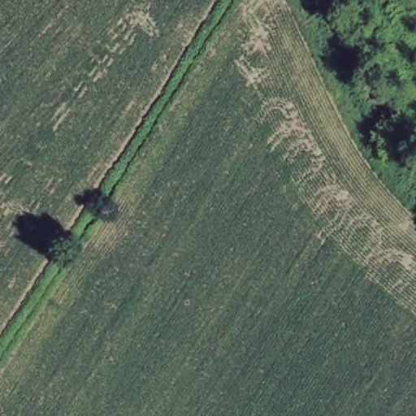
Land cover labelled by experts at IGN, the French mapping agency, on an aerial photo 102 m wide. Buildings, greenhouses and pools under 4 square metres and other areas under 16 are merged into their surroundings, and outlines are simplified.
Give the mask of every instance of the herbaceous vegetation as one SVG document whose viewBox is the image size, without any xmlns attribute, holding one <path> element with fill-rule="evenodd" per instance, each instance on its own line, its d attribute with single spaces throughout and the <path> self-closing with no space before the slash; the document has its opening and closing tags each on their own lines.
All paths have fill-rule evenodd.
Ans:
<svg viewBox="0 0 416 416">
<path fill-rule="evenodd" d="M 45 302 L 54 296 L 62 279 L 68 275 L 68 271 L 75 263 L 63 268 L 47 260 L 41 276 L 37 278 L 23 304 L 16 310 L 10 322 L 6 323 L 6 328 L 0 335 L 0 372 L 24 340 L 24 336 L 28 335 L 32 322 L 41 314 Z"/>
<path fill-rule="evenodd" d="M 219 29 L 227 16 L 236 10 L 242 0 L 216 0 L 210 15 L 193 34 L 192 42 L 185 47 L 187 55 L 180 63 L 179 70 L 172 71 L 161 96 L 149 107 L 140 127 L 136 127 L 132 140 L 128 141 L 123 153 L 99 184 L 102 192 L 106 193 L 107 198 L 114 200 L 117 188 L 127 184 L 133 164 L 140 161 L 141 151 L 153 140 L 159 123 L 166 119 L 169 107 L 180 93 L 185 81 L 195 73 L 206 47 L 211 47 L 214 39 L 219 36 Z"/>
<path fill-rule="evenodd" d="M 392 107 L 400 112 L 405 110 L 409 102 L 416 101 L 416 0 L 396 0 L 395 3 L 382 2 L 379 10 L 375 10 L 372 15 L 369 10 L 362 10 L 359 16 L 372 31 L 372 37 L 379 42 L 385 42 L 385 47 L 395 45 L 396 50 L 400 52 L 395 58 L 390 58 L 388 62 L 380 65 L 380 70 L 385 68 L 388 76 L 387 83 L 382 84 L 380 88 L 375 86 L 379 101 L 385 104 L 393 97 L 396 102 Z"/>
<path fill-rule="evenodd" d="M 86 244 L 86 240 L 96 234 L 97 227 L 94 224 L 99 221 L 94 214 L 83 211 L 80 218 L 68 229 L 73 232 L 73 239 L 81 245 Z"/>
<path fill-rule="evenodd" d="M 310 57 L 314 58 L 322 71 L 325 89 L 333 94 L 333 101 L 338 104 L 338 110 L 343 115 L 351 136 L 359 143 L 359 148 L 364 158 L 370 162 L 370 167 L 380 175 L 385 188 L 395 195 L 396 200 L 400 200 L 401 205 L 413 213 L 416 226 L 416 177 L 398 166 L 395 161 L 382 161 L 377 151 L 377 143 L 370 140 L 370 133 L 359 133 L 357 127 L 362 120 L 361 114 L 359 109 L 353 106 L 346 81 L 353 80 L 354 71 L 359 67 L 359 49 L 354 45 L 344 44 L 340 32 L 331 36 L 328 24 L 322 18 L 330 10 L 331 3 L 343 3 L 344 0 L 286 0 L 291 5 L 297 23 L 301 24 L 304 31 L 304 39 L 310 47 Z"/>
</svg>

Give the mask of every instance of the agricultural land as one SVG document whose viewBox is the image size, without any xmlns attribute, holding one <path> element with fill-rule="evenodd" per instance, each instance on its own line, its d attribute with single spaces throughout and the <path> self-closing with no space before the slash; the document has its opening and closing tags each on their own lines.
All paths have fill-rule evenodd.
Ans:
<svg viewBox="0 0 416 416">
<path fill-rule="evenodd" d="M 333 101 L 333 94 L 325 89 L 322 71 L 314 58 L 310 57 L 310 47 L 304 39 L 304 31 L 301 24 L 297 23 L 291 5 L 286 0 L 242 0 L 236 10 L 227 16 L 219 29 L 219 36 L 214 39 L 211 47 L 206 47 L 195 73 L 185 81 L 180 93 L 169 107 L 166 119 L 159 123 L 153 140 L 141 151 L 140 161 L 133 164 L 127 184 L 117 188 L 114 200 L 119 205 L 117 219 L 112 223 L 99 221 L 94 224 L 97 227 L 96 234 L 86 240 L 86 244 L 81 245 L 81 257 L 75 263 L 68 271 L 68 275 L 62 279 L 54 296 L 45 302 L 41 314 L 32 322 L 28 335 L 24 336 L 24 340 L 0 372 L 0 416 L 416 416 L 416 226 L 413 213 L 401 205 L 400 200 L 396 200 L 395 195 L 385 188 L 380 175 L 370 167 L 370 162 L 364 158 L 359 148 L 359 143 L 351 136 L 343 115 L 338 110 L 338 104 Z"/>
<path fill-rule="evenodd" d="M 210 15 L 216 0 L 0 0 L 0 335 L 6 328 L 6 323 L 10 322 L 16 310 L 23 304 L 37 278 L 41 276 L 47 260 L 44 253 L 49 250 L 52 240 L 62 234 L 63 229 L 68 229 L 80 218 L 83 211 L 89 201 L 99 197 L 99 193 L 102 192 L 99 184 L 123 153 L 128 141 L 132 140 L 136 127 L 140 127 L 149 107 L 161 96 L 172 71 L 179 70 L 180 63 L 187 55 L 185 47 L 192 42 L 193 34 Z"/>
</svg>

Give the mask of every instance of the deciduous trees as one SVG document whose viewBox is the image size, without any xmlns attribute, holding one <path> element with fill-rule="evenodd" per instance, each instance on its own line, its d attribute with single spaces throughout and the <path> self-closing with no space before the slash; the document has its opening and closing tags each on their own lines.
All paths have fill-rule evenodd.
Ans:
<svg viewBox="0 0 416 416">
<path fill-rule="evenodd" d="M 47 260 L 63 268 L 75 263 L 81 257 L 81 245 L 73 239 L 73 232 L 68 229 L 63 229 L 62 234 L 52 240 L 49 250 L 44 253 Z"/>
<path fill-rule="evenodd" d="M 354 71 L 353 80 L 346 81 L 353 106 L 359 109 L 361 114 L 362 120 L 357 127 L 359 133 L 370 133 L 370 140 L 377 143 L 377 151 L 382 161 L 395 161 L 398 166 L 416 177 L 416 101 L 409 102 L 405 110 L 400 112 L 392 107 L 396 102 L 393 97 L 385 104 L 379 101 L 375 86 L 380 88 L 382 84 L 387 83 L 388 76 L 385 68 L 380 70 L 380 65 L 388 62 L 390 58 L 395 58 L 400 52 L 396 50 L 395 45 L 385 47 L 385 42 L 379 42 L 372 37 L 372 31 L 359 16 L 362 10 L 369 10 L 372 15 L 375 10 L 379 10 L 382 2 L 395 3 L 396 0 L 344 0 L 343 3 L 331 3 L 330 10 L 322 18 L 328 24 L 331 36 L 340 32 L 344 44 L 354 45 L 359 49 L 359 67 Z"/>
<path fill-rule="evenodd" d="M 94 214 L 99 221 L 112 223 L 117 219 L 119 205 L 114 200 L 107 198 L 106 193 L 102 192 L 99 193 L 99 197 L 89 201 L 83 211 Z"/>
</svg>

